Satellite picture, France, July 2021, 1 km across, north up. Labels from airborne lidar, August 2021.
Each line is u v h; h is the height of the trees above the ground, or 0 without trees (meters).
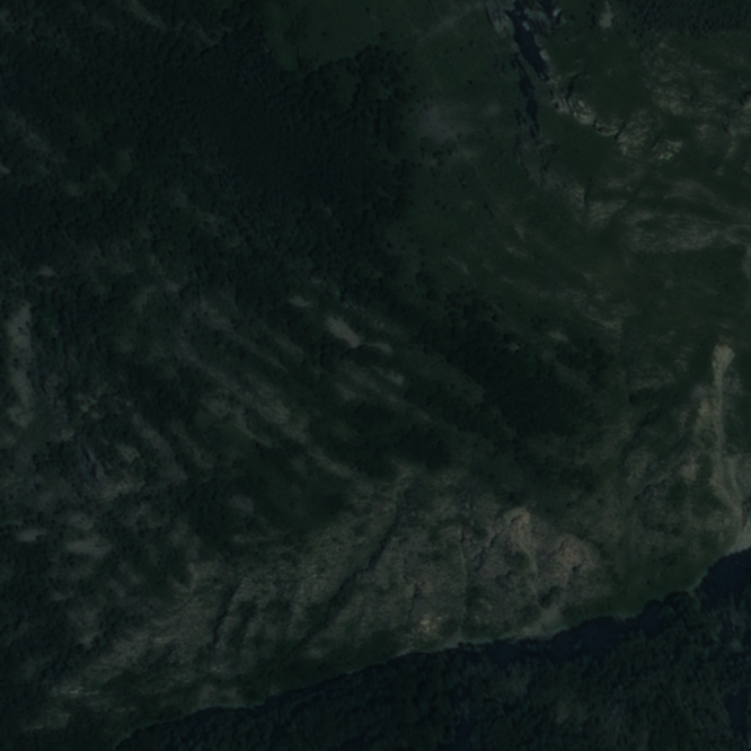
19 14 8
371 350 14
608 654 12
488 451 6
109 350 10
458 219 0
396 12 0
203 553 6
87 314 18
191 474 15
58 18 16
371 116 10
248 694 12
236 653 9
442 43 0
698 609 15
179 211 9
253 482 8
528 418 17
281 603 11
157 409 7
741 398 0
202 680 7
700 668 10
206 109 21
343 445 8
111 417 10
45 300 14
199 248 15
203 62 20
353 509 10
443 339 17
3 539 20
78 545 0
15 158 13
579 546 0
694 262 0
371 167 21
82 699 12
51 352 7
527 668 10
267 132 20
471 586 8
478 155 0
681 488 8
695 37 7
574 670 7
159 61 14
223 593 11
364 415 16
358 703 29
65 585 10
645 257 0
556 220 0
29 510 10
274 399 0
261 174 20
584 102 0
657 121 0
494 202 0
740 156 0
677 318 0
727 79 0
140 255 6
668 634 13
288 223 12
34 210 24
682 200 0
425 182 0
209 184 16
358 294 14
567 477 11
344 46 0
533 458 13
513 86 0
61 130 8
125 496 9
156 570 7
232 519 6
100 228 11
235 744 6
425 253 9
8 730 16
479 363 20
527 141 0
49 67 16
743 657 12
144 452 10
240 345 6
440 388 12
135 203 9
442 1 0
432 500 0
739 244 0
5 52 15
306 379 8
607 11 0
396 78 11
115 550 7
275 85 18
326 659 8
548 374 13
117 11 15
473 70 0
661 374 6
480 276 0
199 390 13
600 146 0
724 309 0
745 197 0
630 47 0
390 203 11
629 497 0
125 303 5
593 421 13
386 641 8
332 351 13
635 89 0
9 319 14
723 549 0
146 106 19
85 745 18
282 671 12
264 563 10
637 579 0
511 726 18
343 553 7
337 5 0
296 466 0
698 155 0
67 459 9
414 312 7
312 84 17
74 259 10
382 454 6
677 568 0
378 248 12
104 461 7
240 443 0
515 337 15
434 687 29
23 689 19
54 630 17
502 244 0
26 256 15
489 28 0
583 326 0
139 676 14
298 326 13
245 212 15
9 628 16
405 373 6
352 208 19
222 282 6
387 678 39
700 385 0
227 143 20
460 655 17
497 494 7
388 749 18
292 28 7
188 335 7
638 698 10
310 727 25
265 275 7
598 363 14
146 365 7
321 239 13
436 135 0
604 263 0
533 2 7
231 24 19
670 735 12
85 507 7
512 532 0
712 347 0
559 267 0
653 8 10
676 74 0
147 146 13
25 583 19
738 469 0
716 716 8
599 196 0
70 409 7
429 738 18
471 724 10
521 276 0
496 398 18
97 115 7
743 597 14
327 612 10
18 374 0
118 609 7
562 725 14
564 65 0
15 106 17
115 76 12
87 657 6
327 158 17
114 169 7
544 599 19
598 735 6
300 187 22
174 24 16
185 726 15
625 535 0
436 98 0
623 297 0
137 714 7
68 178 8
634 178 0
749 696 8
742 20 7
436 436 9
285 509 0
